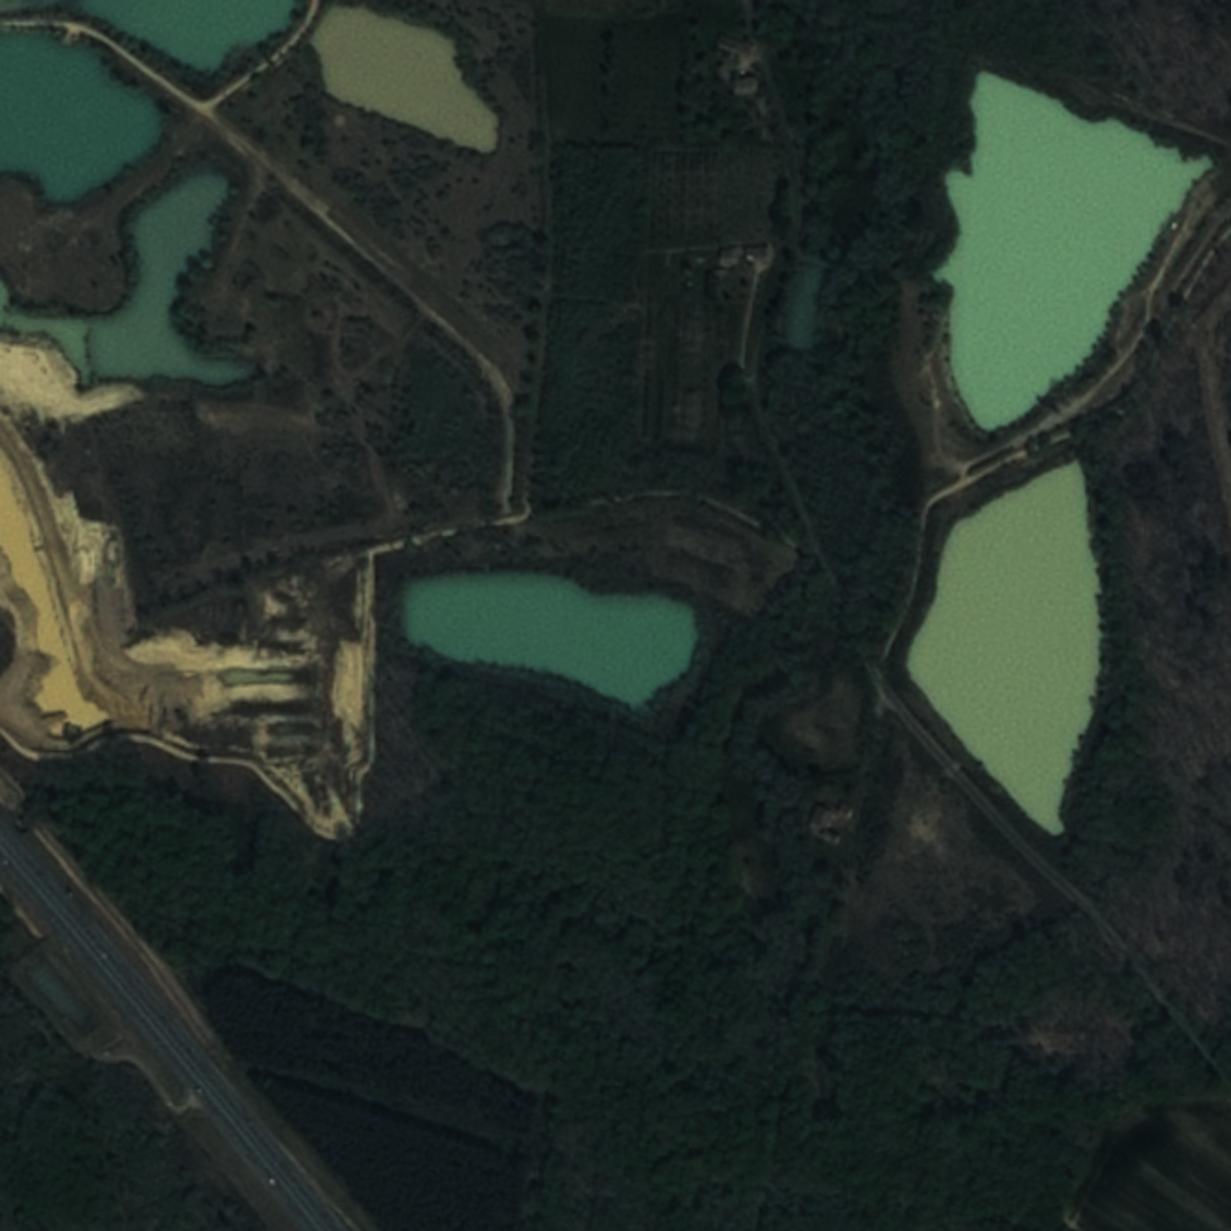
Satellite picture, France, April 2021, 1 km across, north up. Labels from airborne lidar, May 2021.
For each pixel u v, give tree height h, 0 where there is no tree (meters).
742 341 0
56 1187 21
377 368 0
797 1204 16
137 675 0
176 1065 0
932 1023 14
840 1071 26
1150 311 0
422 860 24
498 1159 16
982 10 11
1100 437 19
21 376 0
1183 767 15
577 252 11
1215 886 10
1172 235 0
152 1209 11
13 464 0
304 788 0
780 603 15
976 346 0
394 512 0
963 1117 20
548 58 0
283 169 0
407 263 0
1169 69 11
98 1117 8
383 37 0
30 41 0
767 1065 22
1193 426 9
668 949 15
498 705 17
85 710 0
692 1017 26
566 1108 20
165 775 0
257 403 0
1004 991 19
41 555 0
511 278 6
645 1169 18
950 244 8
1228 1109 0
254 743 0
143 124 0
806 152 9
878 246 14
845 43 14
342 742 0
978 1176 20
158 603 6
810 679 22
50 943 0
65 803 18
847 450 18
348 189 6
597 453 11
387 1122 16
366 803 10
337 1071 14
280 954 19
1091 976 13
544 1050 26
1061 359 0
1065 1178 23
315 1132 13
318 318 5
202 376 0
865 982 8
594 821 18
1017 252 0
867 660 10
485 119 0
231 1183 0
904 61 10
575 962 22
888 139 24
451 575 12
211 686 0
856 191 0
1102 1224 0
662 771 15
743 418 21
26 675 0
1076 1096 23
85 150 0
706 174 7
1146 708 15
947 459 0
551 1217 16
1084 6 19
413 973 19
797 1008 22
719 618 7
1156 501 21
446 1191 16
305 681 0
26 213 0
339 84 0
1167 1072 26
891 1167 22
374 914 24
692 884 16
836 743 0
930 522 6
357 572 0
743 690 18
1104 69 12
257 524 0
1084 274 0
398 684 13
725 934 16
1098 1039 11
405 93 0
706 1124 25
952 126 8
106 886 14
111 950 0
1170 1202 0
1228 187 0
